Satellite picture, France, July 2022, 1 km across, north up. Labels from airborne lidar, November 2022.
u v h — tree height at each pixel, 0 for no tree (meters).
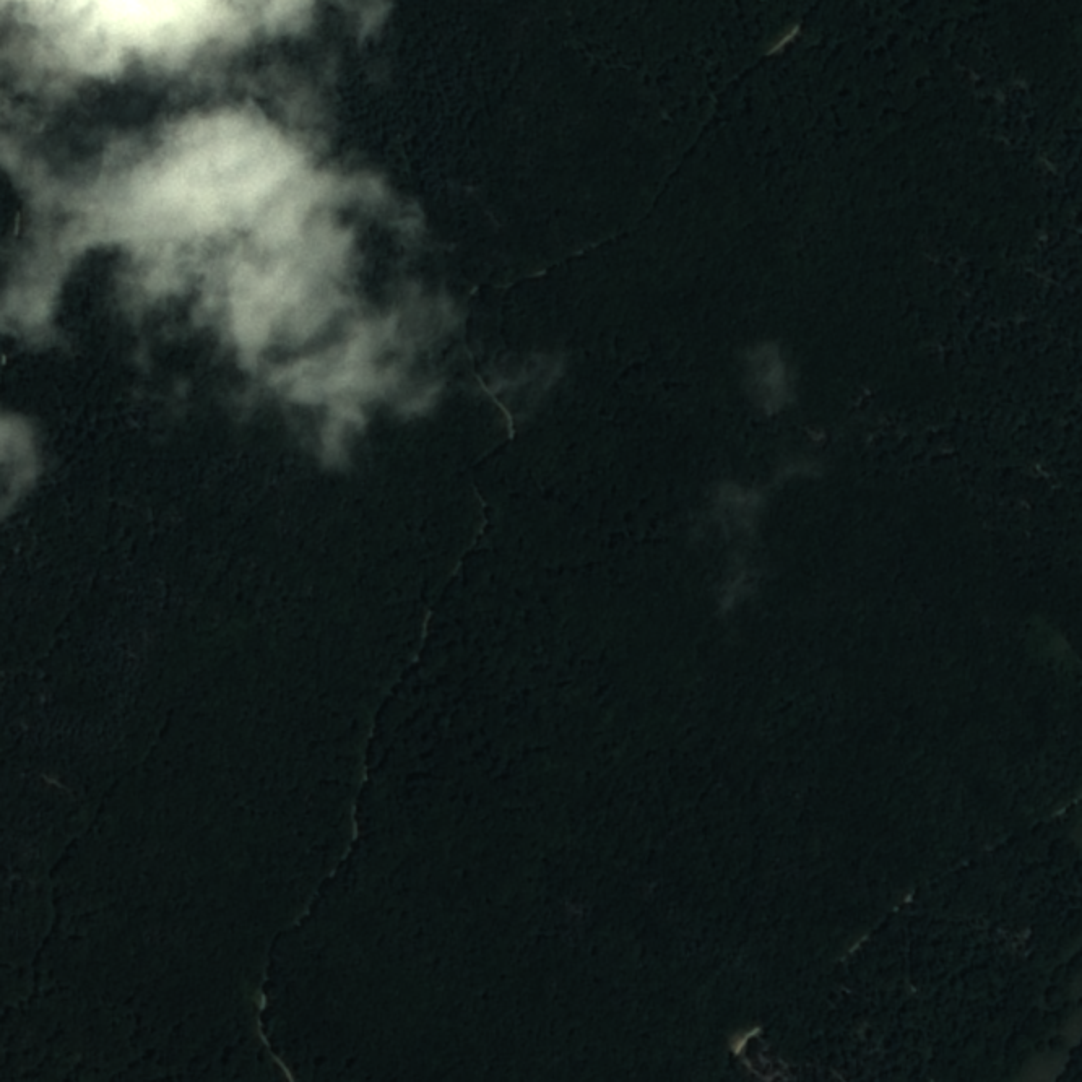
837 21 23
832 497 10
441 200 23
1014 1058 15
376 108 18
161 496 12
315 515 19
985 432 16
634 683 19
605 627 19
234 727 19
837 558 14
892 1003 15
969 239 12
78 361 12
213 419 16
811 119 19
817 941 15
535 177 15
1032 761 16
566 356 21
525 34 13
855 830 20
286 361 14
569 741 19
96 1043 19
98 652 19
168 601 13
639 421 18
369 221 19
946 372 18
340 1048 27
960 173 16
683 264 22
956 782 16
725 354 14
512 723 14
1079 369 12
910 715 18
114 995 24
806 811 19
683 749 12
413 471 19
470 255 22
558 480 20
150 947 18
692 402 20
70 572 13
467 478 20
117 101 18
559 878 19
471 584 23
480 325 26
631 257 17
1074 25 15
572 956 21
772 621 16
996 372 18
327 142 18
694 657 15
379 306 26
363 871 21
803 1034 16
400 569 17
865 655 19
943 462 18
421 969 20
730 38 19
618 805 11
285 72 28
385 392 9
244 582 21
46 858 19
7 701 15
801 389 13
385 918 18
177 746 15
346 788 22
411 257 25
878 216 14
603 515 25
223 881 21
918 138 17
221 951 23
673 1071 21
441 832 23
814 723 18
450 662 10
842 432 14
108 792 7
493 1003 20
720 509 15
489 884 22
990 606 15
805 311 15
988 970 20
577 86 17
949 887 14
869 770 18
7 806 19
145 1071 22
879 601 14
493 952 23
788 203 16
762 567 15
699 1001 22
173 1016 22
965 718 18
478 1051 20
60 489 11
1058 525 13
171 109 21
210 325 15
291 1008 25
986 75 18
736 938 12
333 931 17
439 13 16
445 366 19
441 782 26
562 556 20
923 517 12
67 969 25
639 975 19
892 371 11
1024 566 15
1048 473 15
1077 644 13
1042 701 16
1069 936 8
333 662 14
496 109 12
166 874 14
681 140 20
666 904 16
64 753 15
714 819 15
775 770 17
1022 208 13
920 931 14
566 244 17
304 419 15
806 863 19
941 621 15
